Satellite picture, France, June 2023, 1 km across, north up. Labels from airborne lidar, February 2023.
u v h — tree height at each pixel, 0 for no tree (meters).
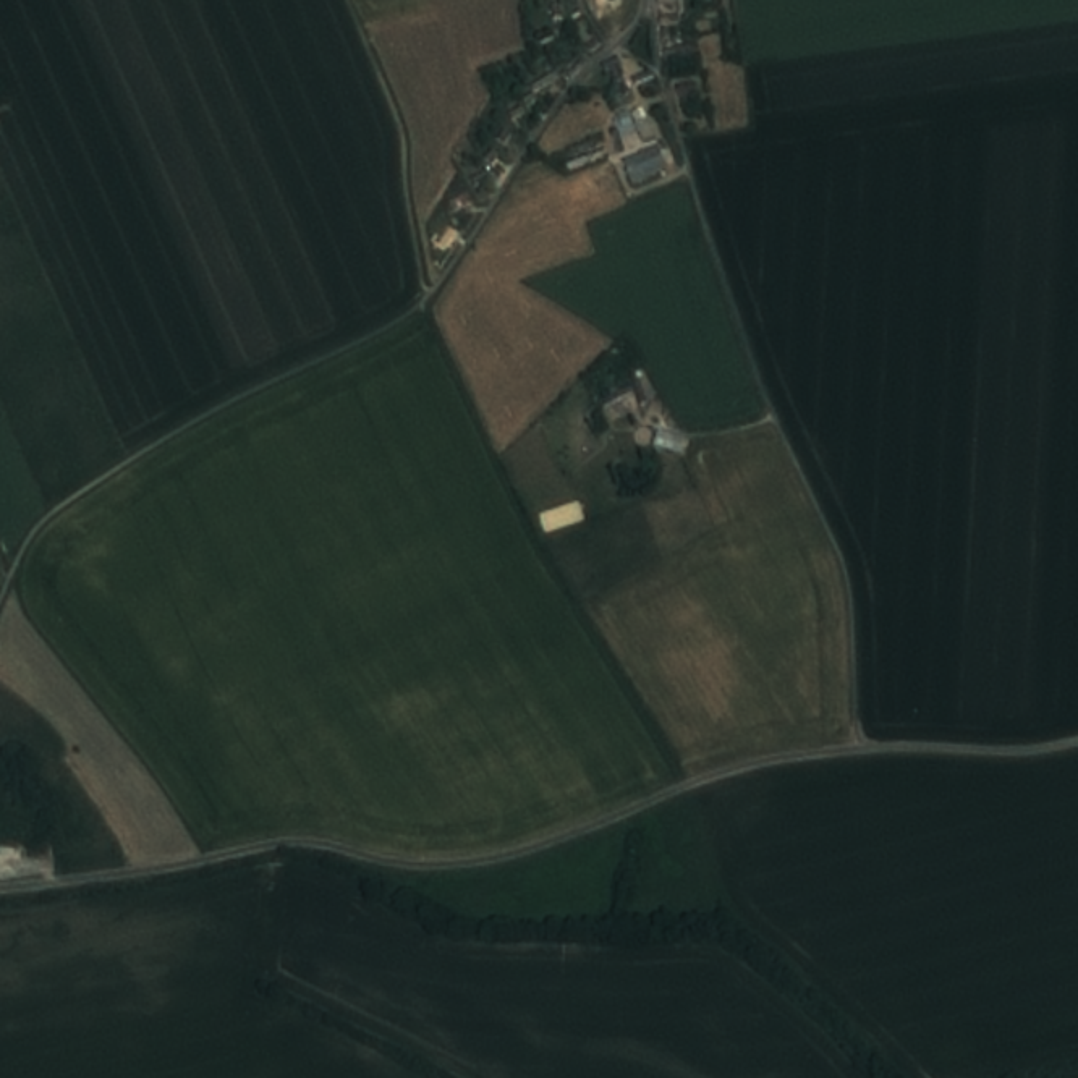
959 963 0
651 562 0
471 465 0
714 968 0
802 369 0
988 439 0
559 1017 0
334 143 0
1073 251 0
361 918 0
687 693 0
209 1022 0
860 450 0
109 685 0
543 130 0
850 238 0
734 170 0
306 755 0
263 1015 0
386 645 0
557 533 0
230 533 0
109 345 0
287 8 0
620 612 0
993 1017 0
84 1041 0
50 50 0
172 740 0
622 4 0
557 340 0
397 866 0
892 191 0
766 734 0
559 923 13
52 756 0
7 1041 0
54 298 0
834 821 0
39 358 0
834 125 0
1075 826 0
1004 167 0
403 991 0
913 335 0
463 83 0
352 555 0
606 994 0
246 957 0
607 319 0
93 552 0
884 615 0
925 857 0
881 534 0
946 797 0
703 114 9
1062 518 0
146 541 0
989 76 0
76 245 0
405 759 0
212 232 0
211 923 0
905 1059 0
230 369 0
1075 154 0
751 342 0
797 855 0
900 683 0
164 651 0
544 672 0
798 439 0
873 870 0
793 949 0
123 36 0
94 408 0
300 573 0
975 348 0
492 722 0
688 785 0
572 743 0
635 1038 0
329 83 0
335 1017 10
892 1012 0
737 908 0
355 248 0
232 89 0
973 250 0
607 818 0
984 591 0
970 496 0
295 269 0
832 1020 12
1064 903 0
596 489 0
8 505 0
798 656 0
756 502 0
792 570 0
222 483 0
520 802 0
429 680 0
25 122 0
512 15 0
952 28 0
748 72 0
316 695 0
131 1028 0
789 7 0
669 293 0
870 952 0
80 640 0
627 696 0
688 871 0
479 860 0
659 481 15
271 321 0
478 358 0
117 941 0
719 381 0
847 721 0
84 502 0
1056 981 0
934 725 0
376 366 0
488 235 0
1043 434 0
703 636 0
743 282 0
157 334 0
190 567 0
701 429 0
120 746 0
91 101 0
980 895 0
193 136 0
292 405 0
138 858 0
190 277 0
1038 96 0
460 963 0
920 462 0
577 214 0
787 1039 0
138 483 0
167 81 0
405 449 0
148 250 0
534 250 0
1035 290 0
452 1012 0
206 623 0
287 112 0
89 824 0
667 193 0
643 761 0
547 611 0
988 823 0
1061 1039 0
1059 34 0
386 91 0
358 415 0
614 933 19
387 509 0
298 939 0
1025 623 0
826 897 0
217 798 0
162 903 0
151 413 0
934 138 0
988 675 0
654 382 0
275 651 0
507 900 0
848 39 0
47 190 0
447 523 0
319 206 0
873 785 0
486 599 0
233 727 0
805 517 0
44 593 0
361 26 0
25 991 0
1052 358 0
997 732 0
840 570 0
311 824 0
